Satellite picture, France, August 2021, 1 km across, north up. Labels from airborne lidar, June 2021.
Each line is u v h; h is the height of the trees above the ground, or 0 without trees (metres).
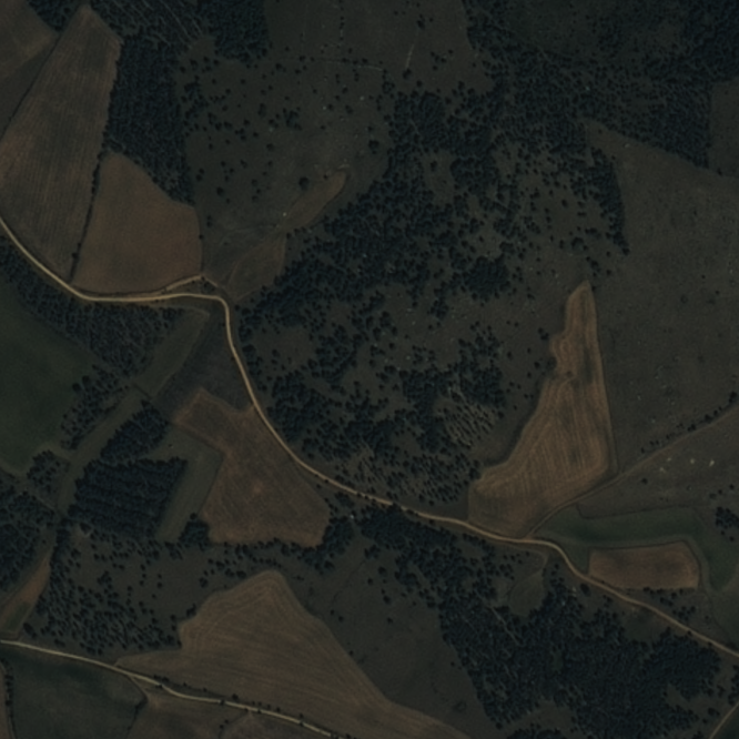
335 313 0
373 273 9
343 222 7
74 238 0
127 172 0
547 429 0
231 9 14
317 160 0
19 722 0
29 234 0
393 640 0
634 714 12
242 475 0
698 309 0
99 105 0
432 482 12
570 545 0
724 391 0
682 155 12
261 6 11
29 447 0
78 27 0
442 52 0
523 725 0
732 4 11
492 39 10
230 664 0
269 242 0
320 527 0
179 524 0
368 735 0
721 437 0
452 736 0
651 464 0
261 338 0
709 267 0
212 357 0
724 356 0
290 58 0
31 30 0
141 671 0
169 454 0
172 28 14
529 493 0
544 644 13
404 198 8
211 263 0
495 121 11
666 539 0
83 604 11
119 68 11
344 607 0
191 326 0
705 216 0
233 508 0
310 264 9
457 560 9
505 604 0
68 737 0
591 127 0
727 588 0
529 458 0
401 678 0
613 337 0
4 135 0
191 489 0
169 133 13
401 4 0
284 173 0
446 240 10
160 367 0
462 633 15
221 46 11
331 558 10
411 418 7
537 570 0
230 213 0
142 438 13
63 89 0
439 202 0
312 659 0
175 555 9
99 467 12
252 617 0
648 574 0
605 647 13
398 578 12
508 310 0
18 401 0
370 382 0
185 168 13
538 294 0
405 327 0
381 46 0
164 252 0
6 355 0
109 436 0
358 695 0
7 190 0
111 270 0
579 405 0
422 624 0
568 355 0
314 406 13
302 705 0
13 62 0
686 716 12
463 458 12
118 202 0
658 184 0
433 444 9
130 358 11
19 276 12
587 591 17
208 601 0
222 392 0
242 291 0
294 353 0
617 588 0
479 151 9
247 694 0
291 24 0
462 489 6
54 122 0
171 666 0
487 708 11
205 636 0
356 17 0
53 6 14
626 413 0
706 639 0
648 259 0
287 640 0
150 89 13
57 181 0
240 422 0
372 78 0
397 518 16
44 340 0
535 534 0
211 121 7
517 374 0
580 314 0
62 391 0
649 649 8
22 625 0
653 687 13
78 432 7
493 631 14
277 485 0
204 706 0
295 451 0
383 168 0
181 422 0
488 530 0
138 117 13
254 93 0
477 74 0
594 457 0
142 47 12
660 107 6
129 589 7
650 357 0
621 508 0
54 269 0
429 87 0
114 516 15
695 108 10
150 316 9
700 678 9
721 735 0
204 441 0
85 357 0
